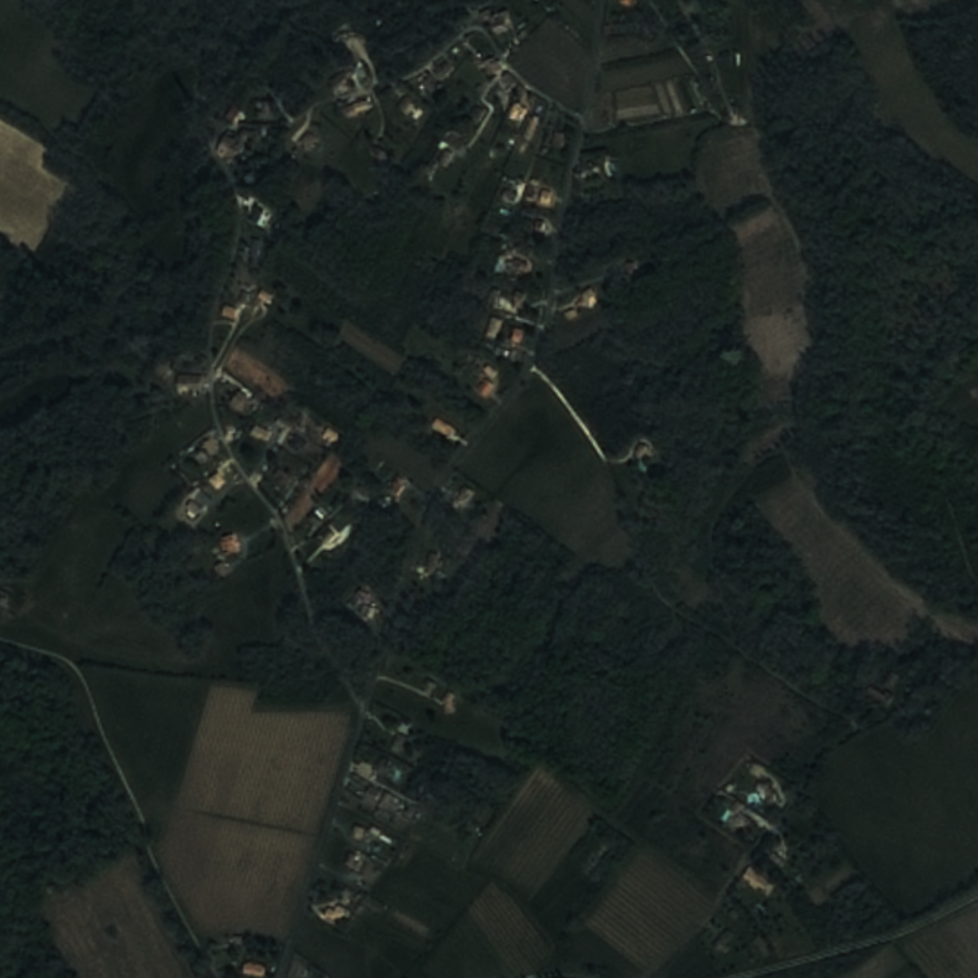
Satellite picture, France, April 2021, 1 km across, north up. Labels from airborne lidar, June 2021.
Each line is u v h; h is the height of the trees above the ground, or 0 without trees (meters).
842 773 0
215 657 0
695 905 0
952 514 8
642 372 10
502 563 15
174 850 0
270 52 32
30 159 0
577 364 9
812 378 22
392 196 16
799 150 22
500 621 22
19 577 15
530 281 10
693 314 23
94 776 23
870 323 21
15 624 0
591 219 15
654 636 17
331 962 0
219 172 8
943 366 24
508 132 10
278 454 12
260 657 9
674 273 18
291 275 11
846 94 16
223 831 0
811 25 16
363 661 22
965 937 0
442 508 20
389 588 20
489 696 16
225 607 0
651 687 18
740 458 13
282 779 0
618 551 0
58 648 0
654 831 0
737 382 17
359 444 9
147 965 0
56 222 15
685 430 15
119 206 20
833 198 16
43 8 17
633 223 15
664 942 0
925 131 0
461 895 0
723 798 7
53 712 21
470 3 10
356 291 20
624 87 0
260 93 14
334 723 0
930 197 23
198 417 0
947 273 22
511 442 0
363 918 0
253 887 0
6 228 0
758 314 0
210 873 0
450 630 22
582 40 0
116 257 19
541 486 0
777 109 18
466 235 0
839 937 8
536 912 0
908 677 10
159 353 13
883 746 0
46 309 31
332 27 7
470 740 0
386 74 15
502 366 6
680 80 0
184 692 0
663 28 22
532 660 17
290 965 0
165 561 18
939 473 13
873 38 0
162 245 0
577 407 7
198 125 22
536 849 0
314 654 14
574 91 0
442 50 12
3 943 25
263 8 22
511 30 7
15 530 19
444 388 20
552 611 24
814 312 19
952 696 15
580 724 21
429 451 10
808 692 8
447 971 0
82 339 12
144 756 0
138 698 0
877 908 9
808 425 22
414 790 12
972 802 0
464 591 20
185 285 19
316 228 16
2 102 6
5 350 7
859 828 0
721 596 15
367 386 14
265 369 0
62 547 0
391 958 0
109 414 8
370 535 21
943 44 17
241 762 0
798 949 0
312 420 0
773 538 11
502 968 0
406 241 11
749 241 0
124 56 8
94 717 0
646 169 0
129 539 9
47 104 0
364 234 16
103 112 19
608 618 21
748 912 8
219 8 21
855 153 15
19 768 12
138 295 21
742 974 0
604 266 10
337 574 7
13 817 17
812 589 15
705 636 11
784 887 7
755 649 12
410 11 6
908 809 0
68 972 11
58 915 0
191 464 8
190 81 0
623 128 9
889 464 6
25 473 14
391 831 0
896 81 0
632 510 10
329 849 0
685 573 0
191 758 0
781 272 0
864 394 24
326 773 0
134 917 0
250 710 0
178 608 19
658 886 0
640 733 17
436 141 6
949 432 18
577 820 0
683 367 11
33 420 19
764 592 20
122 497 0
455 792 20
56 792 11
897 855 0
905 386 19
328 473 0
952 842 0
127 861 23
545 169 0
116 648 0
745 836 7
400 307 6
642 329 18
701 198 12
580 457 0
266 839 0
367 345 0
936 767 0
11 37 0
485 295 10
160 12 21
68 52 12
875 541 23
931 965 0
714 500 18
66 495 13
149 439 11
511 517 16
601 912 0
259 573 0
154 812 0
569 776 14
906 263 23
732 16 18
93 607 0
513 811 0
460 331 19
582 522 0
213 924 0
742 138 0
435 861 0
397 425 17
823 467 22
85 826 17
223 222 17
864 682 16
